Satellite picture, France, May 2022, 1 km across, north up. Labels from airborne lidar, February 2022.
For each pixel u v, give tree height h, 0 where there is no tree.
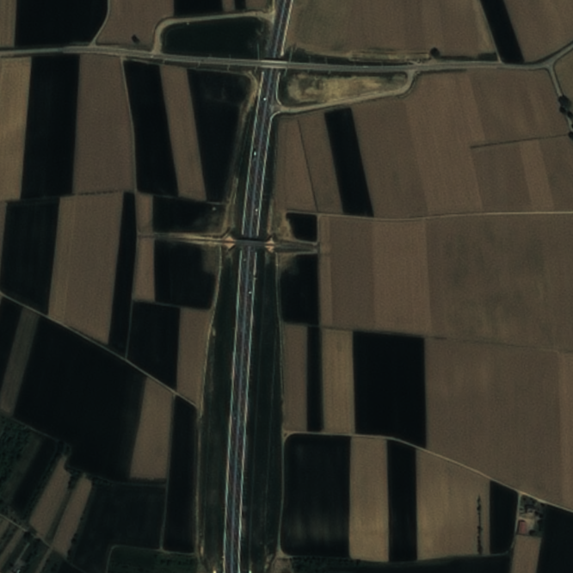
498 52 0
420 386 0
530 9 0
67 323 0
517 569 0
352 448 0
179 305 0
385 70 0
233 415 0
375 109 0
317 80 0
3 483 9
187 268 0
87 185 0
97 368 0
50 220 0
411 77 0
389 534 0
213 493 0
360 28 0
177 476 0
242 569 0
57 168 0
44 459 0
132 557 0
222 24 0
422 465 0
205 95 0
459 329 0
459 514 0
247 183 0
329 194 0
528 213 0
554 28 0
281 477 0
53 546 0
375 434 0
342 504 0
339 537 0
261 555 0
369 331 0
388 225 0
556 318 0
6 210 0
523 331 0
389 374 0
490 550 0
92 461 0
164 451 0
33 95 0
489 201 0
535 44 0
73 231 0
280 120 0
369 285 0
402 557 0
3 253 0
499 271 0
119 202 0
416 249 0
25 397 0
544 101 0
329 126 0
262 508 0
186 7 0
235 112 0
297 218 0
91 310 0
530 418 0
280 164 0
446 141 0
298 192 0
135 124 0
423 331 0
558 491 0
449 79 0
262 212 0
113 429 0
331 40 0
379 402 0
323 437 0
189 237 0
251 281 0
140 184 0
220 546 0
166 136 0
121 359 0
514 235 0
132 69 0
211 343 0
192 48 0
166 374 0
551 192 0
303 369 0
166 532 0
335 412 0
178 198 0
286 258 0
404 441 0
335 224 0
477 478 0
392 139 0
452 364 0
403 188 0
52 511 0
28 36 0
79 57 0
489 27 0
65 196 0
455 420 0
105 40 0
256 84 0
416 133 0
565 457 0
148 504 0
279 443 0
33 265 0
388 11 0
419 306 0
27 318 0
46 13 0
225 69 0
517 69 0
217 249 0
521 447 0
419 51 0
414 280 0
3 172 0
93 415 0
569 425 0
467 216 0
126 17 0
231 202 0
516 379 0
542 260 0
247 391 0
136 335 0
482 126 0
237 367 0
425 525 0
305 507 0
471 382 0
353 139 0
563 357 0
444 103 0
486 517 0
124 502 0
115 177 0
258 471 0
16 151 0
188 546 0
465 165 0
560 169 0
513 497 0
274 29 0
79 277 0
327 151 0
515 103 0
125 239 0
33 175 0
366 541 0
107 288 0
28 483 0
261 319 0
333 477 0
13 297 0
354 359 0
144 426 0
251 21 0
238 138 0
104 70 0
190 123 0
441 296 0
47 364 0
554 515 0
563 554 0
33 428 0
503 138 0
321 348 0
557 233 0
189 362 0
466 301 0
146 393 0
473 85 0
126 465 0
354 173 0
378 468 0
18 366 0
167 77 0
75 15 0
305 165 0
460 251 0
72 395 0
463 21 0
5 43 0
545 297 0
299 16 0
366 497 0
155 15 0
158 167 0
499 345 0
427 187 0
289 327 0
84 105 0
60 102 0
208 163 0
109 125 0
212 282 0
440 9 0
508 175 0
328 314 0
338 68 0
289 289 0
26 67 0
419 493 0
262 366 0
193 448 0
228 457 0
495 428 0
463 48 0
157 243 0
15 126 0
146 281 0
